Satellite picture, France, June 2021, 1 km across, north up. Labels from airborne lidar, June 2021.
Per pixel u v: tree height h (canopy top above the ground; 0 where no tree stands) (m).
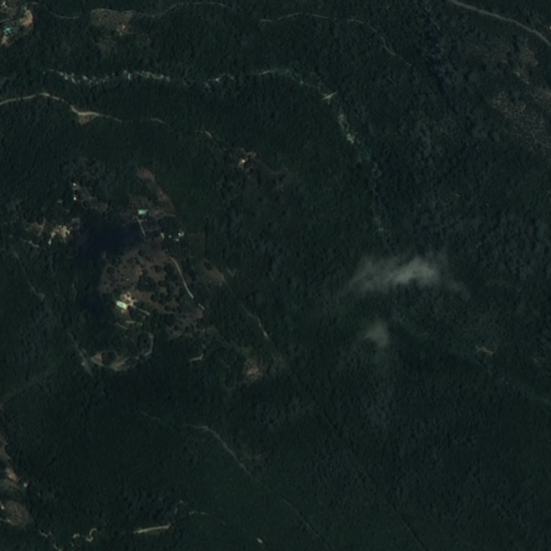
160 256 0
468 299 19
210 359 13
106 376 17
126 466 14
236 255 14
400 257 11
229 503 11
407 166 24
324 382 14
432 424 19
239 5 11
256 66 12
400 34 9
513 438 15
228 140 12
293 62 12
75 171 8
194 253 9
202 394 15
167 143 13
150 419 12
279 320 7
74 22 9
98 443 17
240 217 19
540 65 10
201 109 12
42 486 14
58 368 6
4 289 13
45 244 14
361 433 13
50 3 10
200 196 7
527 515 13
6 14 10
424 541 14
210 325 7
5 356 10
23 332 14
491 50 11
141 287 12
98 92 12
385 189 26
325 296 19
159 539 10
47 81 17
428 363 14
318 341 12
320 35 10
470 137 13
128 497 14
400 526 14
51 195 12
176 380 19
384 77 14
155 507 16
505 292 14
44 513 8
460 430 17
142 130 10
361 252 11
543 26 7
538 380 11
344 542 14
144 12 13
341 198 11
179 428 15
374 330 7
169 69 8
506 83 6
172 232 10
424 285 12
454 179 14
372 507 16
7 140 11
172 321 16
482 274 11
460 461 15
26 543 7
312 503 11
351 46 10
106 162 11
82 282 15
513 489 13
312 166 14
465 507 15
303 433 14
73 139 8
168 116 13
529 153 7
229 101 16
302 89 8
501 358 12
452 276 9
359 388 11
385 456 13
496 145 7
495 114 7
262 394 18
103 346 12
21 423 12
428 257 24
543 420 19
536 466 19
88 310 16
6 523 13
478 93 9
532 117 6
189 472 10
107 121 6
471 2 11
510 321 11
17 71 25
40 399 11
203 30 9
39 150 12
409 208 12
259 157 10
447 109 10
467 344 9
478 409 16
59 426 20
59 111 10
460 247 13
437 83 13
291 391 16
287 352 21
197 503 13
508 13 14
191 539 10
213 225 17
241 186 9
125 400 16
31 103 7
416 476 9
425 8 22
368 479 25
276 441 15
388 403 8
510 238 12
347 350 12
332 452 16
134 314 14
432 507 20
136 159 6
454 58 11
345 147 9
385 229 8
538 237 24
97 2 16
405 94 14
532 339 12
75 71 10
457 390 8
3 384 11
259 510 12
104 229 9
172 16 12
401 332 9
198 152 7
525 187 6
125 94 14
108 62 17
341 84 17
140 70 7
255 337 11
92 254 15
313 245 14
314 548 14
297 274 6
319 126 14
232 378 13
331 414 15
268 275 16
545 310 22
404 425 12
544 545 7
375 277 18
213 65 16
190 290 6
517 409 17
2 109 10
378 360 14
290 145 12
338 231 12
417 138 21
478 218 26
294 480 12
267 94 14
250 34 14
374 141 15
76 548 10
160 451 16
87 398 17
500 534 13
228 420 11
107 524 7
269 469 14
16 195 8
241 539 13
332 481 13
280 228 7
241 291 7
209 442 9
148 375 17
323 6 6
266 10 18
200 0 10
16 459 13
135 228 12
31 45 19
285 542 13
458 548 11
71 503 12
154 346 11
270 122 12
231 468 10
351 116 12
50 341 13
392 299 13
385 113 16
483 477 12
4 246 6
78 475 15
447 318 11
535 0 11
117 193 11
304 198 20
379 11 10
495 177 10
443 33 13
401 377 16
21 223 13
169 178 8
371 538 15
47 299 11
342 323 11
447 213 8
